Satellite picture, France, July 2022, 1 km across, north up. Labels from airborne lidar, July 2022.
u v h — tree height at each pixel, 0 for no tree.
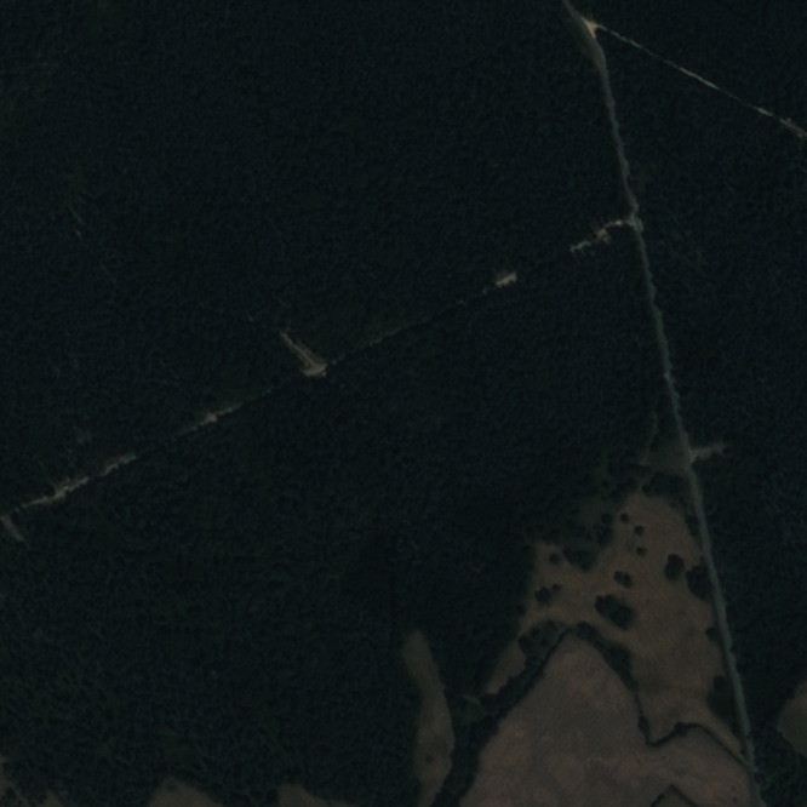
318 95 19
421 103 21
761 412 24
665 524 0
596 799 0
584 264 23
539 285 26
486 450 26
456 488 20
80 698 12
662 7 16
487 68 28
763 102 12
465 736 15
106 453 11
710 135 24
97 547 7
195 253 26
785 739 22
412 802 17
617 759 0
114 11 20
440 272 25
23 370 14
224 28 11
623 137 14
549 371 22
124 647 16
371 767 14
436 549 17
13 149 23
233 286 24
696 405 7
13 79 21
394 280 20
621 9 16
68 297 20
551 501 17
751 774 0
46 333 22
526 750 0
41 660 20
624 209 21
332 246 26
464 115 18
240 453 18
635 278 20
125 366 25
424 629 18
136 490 10
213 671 19
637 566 0
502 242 17
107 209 26
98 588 19
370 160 22
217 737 22
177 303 16
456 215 23
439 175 27
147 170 19
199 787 20
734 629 7
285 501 15
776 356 20
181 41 26
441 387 20
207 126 24
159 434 15
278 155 20
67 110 22
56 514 14
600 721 0
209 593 15
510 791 0
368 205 23
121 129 23
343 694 17
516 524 17
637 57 20
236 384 19
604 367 25
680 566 17
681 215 25
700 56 18
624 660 14
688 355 15
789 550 12
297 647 19
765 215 19
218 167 26
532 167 15
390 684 14
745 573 8
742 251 19
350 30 29
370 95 24
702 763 0
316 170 26
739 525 19
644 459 0
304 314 22
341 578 13
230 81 25
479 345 26
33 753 17
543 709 0
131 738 19
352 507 17
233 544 11
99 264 22
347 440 26
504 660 0
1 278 24
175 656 19
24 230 23
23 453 15
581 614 0
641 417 14
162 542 8
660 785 0
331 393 15
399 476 19
